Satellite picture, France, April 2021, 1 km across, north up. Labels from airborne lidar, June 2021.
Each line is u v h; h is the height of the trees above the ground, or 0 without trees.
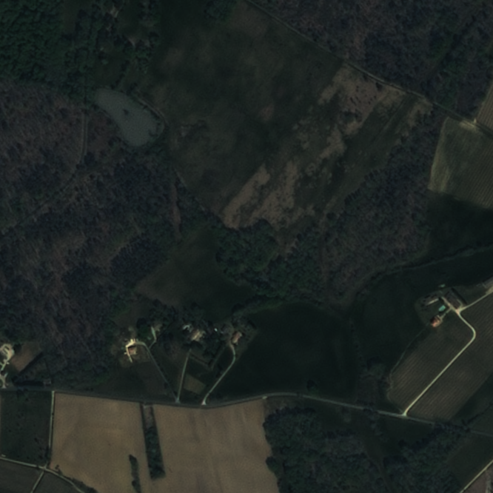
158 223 11
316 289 17
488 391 0
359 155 0
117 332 17
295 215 0
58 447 0
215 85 0
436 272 0
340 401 0
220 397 14
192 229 18
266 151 0
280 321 0
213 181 0
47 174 23
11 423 0
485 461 0
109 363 16
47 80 17
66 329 22
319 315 0
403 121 0
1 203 20
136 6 0
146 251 24
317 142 0
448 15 21
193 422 0
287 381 0
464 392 0
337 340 0
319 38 15
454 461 0
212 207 0
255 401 0
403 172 11
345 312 0
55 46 23
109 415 0
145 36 0
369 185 18
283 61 0
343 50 13
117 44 16
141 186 14
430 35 12
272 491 0
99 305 8
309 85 0
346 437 15
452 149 0
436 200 0
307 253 19
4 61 17
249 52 0
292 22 10
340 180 0
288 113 0
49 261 15
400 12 13
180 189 21
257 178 0
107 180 11
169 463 0
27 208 19
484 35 19
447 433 19
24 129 16
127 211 17
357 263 18
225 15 18
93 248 20
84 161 0
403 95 0
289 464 17
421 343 0
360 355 7
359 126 0
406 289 0
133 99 18
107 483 0
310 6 8
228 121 0
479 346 0
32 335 15
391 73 15
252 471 0
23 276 13
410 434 0
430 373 0
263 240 20
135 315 0
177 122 0
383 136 0
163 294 0
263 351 0
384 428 0
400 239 12
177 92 0
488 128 0
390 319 0
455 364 0
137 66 0
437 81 15
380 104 0
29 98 12
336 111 0
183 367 0
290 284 19
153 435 9
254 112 0
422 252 19
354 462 17
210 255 0
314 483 22
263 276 25
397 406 0
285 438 19
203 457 0
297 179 0
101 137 18
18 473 0
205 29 0
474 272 0
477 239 0
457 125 0
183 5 0
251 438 0
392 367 0
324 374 0
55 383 15
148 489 0
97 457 0
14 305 17
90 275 26
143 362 0
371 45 20
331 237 15
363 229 15
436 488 22
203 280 0
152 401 0
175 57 0
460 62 22
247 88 0
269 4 12
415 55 9
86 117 20
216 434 0
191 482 0
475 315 0
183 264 0
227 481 0
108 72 0
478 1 15
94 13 7
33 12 14
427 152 12
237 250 18
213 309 0
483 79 8
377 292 0
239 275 25
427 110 0
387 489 20
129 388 0
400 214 14
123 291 14
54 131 14
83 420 0
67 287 19
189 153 0
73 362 12
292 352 0
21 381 7
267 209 0
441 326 0
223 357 0
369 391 0
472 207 0
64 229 20
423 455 25
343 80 0
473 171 0
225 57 0
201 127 0
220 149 0
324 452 20
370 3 8
